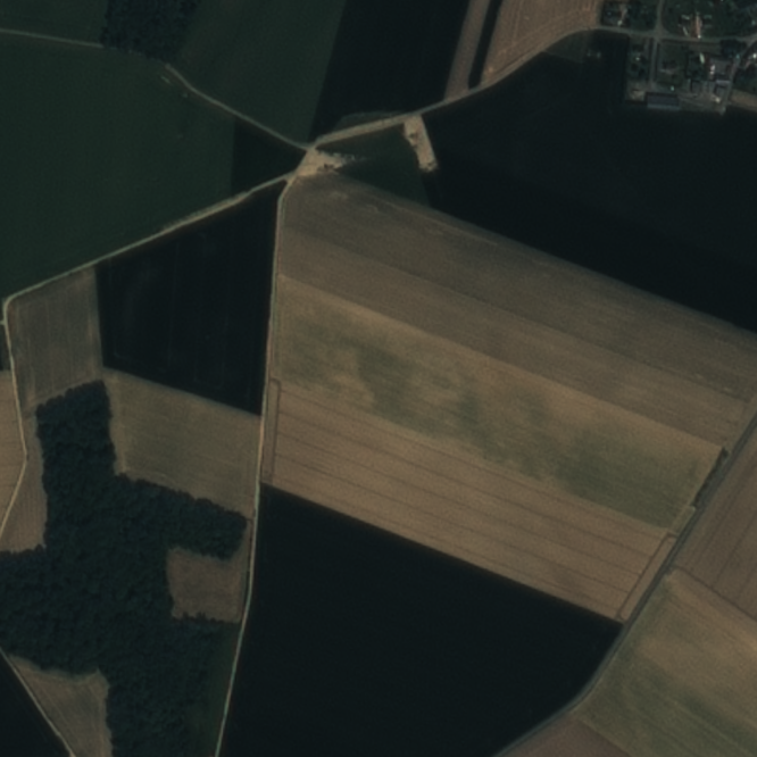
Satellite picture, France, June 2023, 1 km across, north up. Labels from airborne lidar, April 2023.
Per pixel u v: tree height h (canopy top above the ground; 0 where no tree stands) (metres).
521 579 0
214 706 0
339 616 0
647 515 0
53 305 0
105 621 28
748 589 0
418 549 0
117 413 0
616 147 0
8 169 0
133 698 13
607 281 0
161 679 20
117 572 27
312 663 0
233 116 0
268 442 0
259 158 0
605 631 0
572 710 0
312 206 0
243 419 0
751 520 0
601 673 0
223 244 0
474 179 0
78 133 0
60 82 0
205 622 22
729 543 0
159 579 22
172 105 0
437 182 0
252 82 0
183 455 0
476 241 0
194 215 0
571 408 0
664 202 0
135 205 0
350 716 0
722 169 0
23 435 0
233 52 0
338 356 0
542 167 0
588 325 0
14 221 0
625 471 0
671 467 0
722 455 0
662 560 0
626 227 0
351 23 0
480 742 0
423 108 0
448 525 0
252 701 0
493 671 0
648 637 0
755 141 0
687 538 0
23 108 0
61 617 27
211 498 0
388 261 0
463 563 0
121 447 0
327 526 0
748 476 0
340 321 0
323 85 0
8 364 0
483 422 0
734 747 0
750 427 0
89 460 24
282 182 0
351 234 0
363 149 0
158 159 0
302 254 0
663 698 0
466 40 0
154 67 0
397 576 0
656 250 0
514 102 0
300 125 0
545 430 0
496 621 0
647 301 0
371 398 0
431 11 0
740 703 0
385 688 0
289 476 0
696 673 0
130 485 27
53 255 0
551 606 0
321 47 0
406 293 0
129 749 16
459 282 0
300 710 0
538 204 0
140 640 16
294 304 0
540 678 0
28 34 0
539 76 0
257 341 0
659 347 0
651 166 0
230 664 0
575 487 0
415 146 0
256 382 0
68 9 0
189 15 19
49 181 0
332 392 0
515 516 0
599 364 0
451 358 0
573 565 0
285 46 0
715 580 0
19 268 0
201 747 0
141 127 0
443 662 0
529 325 0
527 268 0
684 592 0
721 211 0
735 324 0
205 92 0
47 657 17
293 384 0
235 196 0
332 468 0
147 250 0
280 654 0
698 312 0
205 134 0
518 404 0
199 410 0
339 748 0
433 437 0
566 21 0
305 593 0
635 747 0
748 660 0
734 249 0
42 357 0
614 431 0
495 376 0
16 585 20
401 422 0
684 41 0
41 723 0
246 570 0
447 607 0
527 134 0
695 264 0
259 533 0
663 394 0
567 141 0
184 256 0
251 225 0
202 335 0
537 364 0
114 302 0
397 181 0
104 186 0
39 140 0
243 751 0
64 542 24
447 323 0
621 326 0
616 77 0
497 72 0
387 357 0
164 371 0
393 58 0
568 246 0
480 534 0
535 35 0
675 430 0
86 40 0
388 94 0
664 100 0
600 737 0
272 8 0
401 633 0
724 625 0
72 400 19
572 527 0
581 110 0
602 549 0
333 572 0
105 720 0
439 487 0
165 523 21
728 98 0
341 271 0
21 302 0
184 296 0
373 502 0
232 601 0
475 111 0
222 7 0
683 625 0
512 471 0
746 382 0
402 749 0
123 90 0
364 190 0
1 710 0
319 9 0
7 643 11
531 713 0
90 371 0
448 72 0
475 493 0
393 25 0
